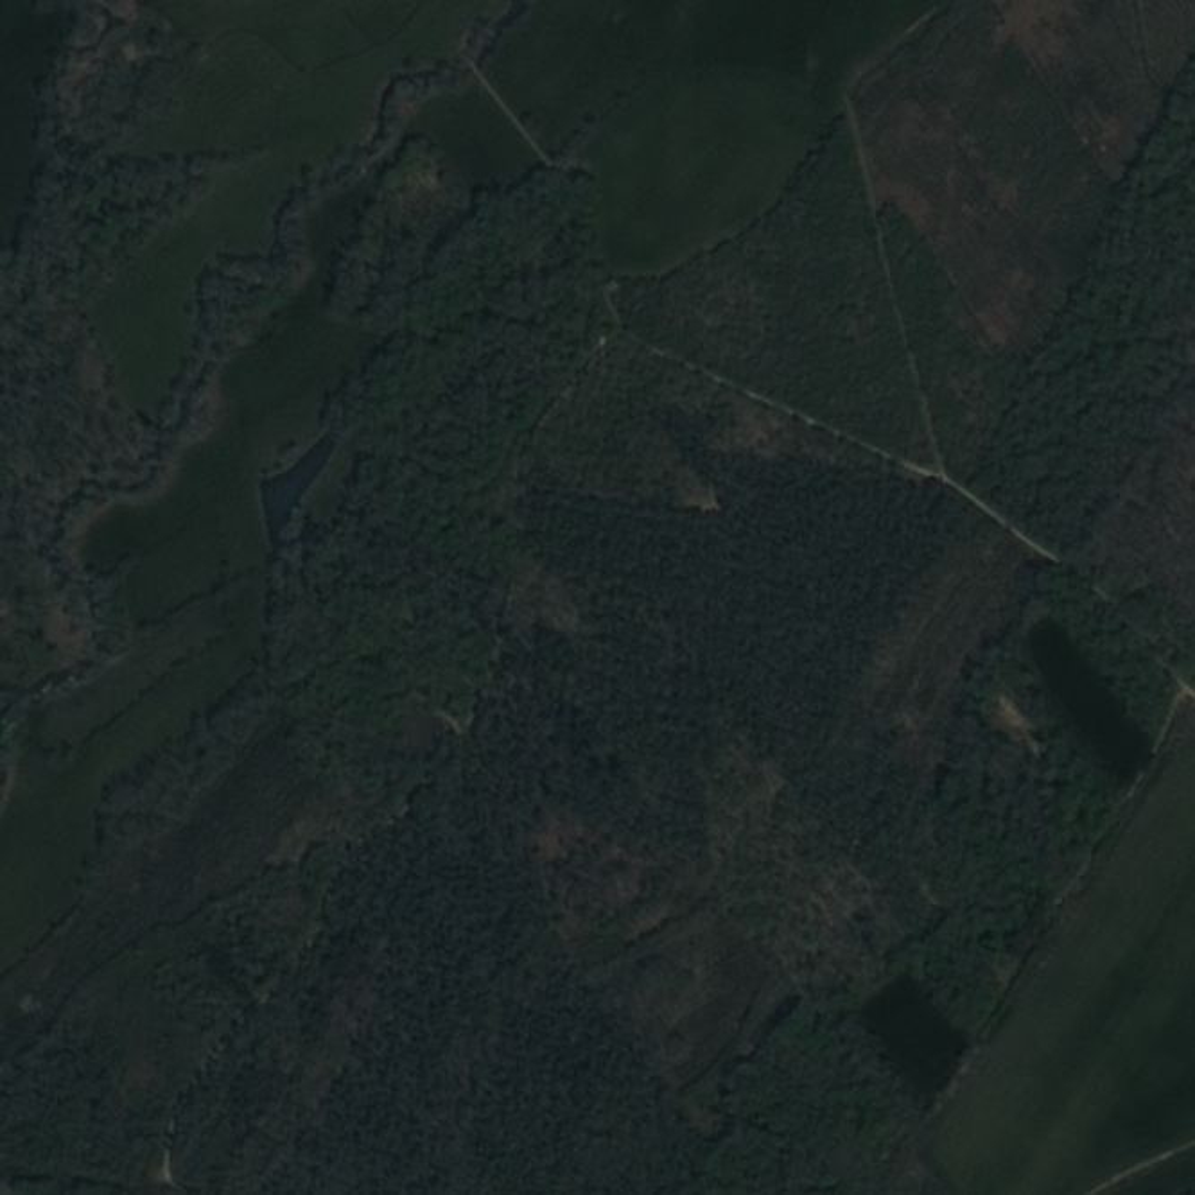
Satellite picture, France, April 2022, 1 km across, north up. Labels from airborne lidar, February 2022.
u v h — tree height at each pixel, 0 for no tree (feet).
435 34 0
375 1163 44
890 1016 0
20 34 0
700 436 61
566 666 81
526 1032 54
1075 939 0
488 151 0
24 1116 56
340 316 62
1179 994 0
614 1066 63
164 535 0
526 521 64
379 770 50
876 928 65
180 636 0
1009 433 53
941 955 81
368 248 84
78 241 78
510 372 77
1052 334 19
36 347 74
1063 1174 0
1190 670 95
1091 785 73
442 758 52
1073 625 60
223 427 0
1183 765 0
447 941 53
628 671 54
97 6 58
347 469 0
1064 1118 0
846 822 52
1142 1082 0
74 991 23
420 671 60
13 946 0
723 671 61
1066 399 80
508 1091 66
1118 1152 0
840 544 64
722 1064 22
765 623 58
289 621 82
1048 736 39
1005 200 0
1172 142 75
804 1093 70
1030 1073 0
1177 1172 0
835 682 60
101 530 0
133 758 0
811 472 55
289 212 44
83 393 74
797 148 0
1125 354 68
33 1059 55
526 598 47
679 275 33
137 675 0
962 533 40
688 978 60
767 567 51
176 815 70
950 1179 0
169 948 31
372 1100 46
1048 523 87
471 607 72
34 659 0
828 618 63
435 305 79
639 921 57
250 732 65
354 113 0
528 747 67
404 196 0
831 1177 90
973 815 86
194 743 53
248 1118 26
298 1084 31
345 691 63
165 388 0
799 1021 87
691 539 67
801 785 57
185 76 36
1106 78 0
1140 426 71
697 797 54
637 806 61
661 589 62
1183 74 18
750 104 0
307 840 0
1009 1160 0
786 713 48
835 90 0
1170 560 92
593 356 83
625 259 0
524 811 65
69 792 0
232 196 0
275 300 36
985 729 83
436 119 0
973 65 24
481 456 75
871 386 0
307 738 62
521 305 84
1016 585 0
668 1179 41
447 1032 50
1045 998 0
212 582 0
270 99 0
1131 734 0
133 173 70
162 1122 43
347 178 43
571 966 38
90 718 0
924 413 0
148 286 0
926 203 0
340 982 32
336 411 63
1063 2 0
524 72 0
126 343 0
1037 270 0
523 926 54
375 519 85
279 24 0
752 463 63
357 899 52
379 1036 58
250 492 0
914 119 0
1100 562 78
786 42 0
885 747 70
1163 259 76
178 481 0
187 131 0
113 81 51
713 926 0
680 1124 53
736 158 0
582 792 75
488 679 69
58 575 30
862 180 41
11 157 0
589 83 0
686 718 57
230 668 0
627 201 0
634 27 0
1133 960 0
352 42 0
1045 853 74
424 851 58
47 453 64
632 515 53
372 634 70
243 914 52
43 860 0
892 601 40
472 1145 42
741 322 45
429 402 66
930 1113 23
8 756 60
